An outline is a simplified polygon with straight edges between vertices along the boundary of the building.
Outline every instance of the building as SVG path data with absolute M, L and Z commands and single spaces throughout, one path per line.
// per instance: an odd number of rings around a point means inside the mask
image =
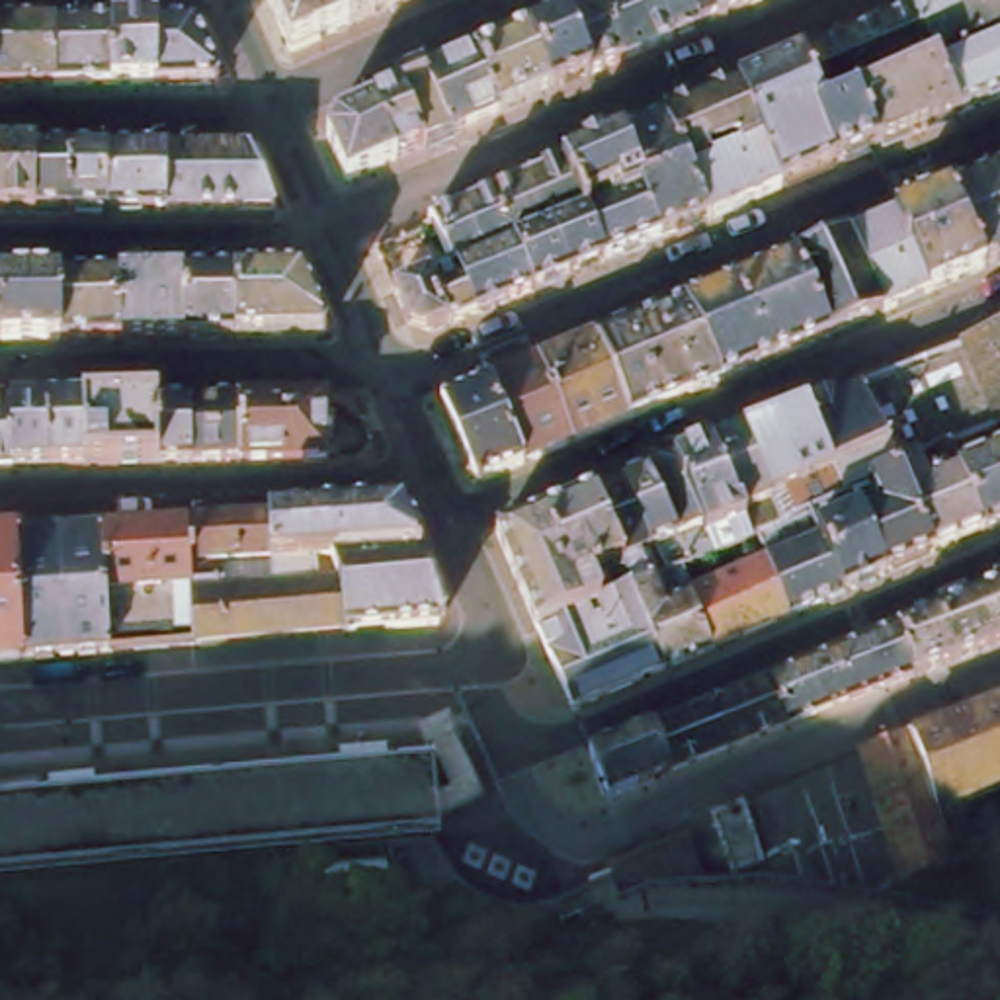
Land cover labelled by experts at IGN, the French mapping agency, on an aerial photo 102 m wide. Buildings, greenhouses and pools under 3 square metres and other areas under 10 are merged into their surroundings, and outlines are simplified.
M 230 508 L 211 527 L 191 527 L 188 512 L 156 508 L 148 496 L 121 496 L 113 512 L 102 516 L 55 516 L 51 543 L 39 559 L 43 574 L 20 574 L 20 516 L 0 516 L 0 656 L 47 660 L 199 648 L 277 633 L 434 629 L 438 609 L 445 605 L 445 582 L 438 574 L 438 563 L 430 559 L 434 551 L 422 535 L 422 523 L 398 512 L 398 504 L 406 500 L 402 484 L 387 484 L 379 496 L 367 484 L 352 484 L 348 496 L 332 484 L 316 488 L 313 496 L 273 492 L 266 508 Z
M 371 242 L 383 250 L 387 270 L 402 277 L 402 285 L 414 293 L 422 309 L 469 305 L 480 293 L 508 285 L 512 277 L 574 258 L 582 246 L 605 246 L 613 234 L 660 223 L 668 207 L 727 195 L 742 184 L 777 172 L 785 160 L 797 160 L 805 152 L 816 152 L 820 145 L 840 141 L 840 133 L 855 129 L 859 121 L 883 121 L 887 113 L 898 117 L 906 109 L 918 109 L 922 102 L 938 117 L 949 117 L 953 109 L 977 98 L 1000 94 L 1000 0 L 895 0 L 895 12 L 910 23 L 875 35 L 859 47 L 848 47 L 832 55 L 824 66 L 809 63 L 816 47 L 805 35 L 789 35 L 773 47 L 746 55 L 738 70 L 711 70 L 703 90 L 676 86 L 668 105 L 656 102 L 648 109 L 637 109 L 633 117 L 586 117 L 559 145 L 523 160 L 523 188 L 516 195 L 508 191 L 508 172 L 496 172 L 488 180 L 477 180 L 465 191 L 465 199 L 449 199 L 449 215 L 441 207 L 426 207 L 426 215 L 410 230 L 375 234 Z
M 324 35 L 336 35 L 348 23 L 363 20 L 379 20 L 387 27 L 395 12 L 410 0 L 258 0 L 254 23 L 285 51 L 309 51 Z
M 344 742 L 340 750 L 324 754 L 273 754 L 145 770 L 55 770 L 43 777 L 0 781 L 0 863 L 70 867 L 223 848 L 270 848 L 316 836 L 336 840 L 430 832 L 441 828 L 445 809 L 457 809 L 469 797 L 477 797 L 480 781 L 449 711 L 434 711 L 422 719 L 422 742 L 414 746 Z
M 762 0 L 617 0 L 609 8 L 605 39 L 598 43 L 586 31 L 586 16 L 570 0 L 539 0 L 531 12 L 512 12 L 508 23 L 480 23 L 477 31 L 449 39 L 430 55 L 410 55 L 391 70 L 379 70 L 375 78 L 355 70 L 352 94 L 344 102 L 348 109 L 336 109 L 324 121 L 316 117 L 316 141 L 328 145 L 340 172 L 348 176 L 371 168 L 395 172 L 398 164 L 422 156 L 449 156 L 461 168 L 469 148 L 496 121 L 516 125 L 539 102 L 590 90 L 594 78 L 617 70 L 625 55 L 637 55 L 672 31 L 738 8 L 754 8 Z
M 809 719 L 859 719 L 895 691 L 918 680 L 945 680 L 957 664 L 969 664 L 1000 648 L 1000 590 L 969 598 L 961 605 L 934 605 L 930 617 L 883 617 L 871 633 L 848 633 L 836 645 L 820 645 L 809 656 L 785 660 L 777 684 L 777 695 Z
M 520 398 L 508 398 L 492 363 L 457 371 L 438 387 L 438 402 L 457 434 L 469 477 L 531 473 L 551 449 L 578 434 L 602 430 L 656 402 L 715 391 L 730 371 L 781 355 L 852 320 L 898 320 L 914 301 L 941 293 L 965 277 L 1000 270 L 1000 152 L 977 156 L 961 172 L 922 172 L 867 215 L 836 215 L 832 223 L 809 227 L 813 234 L 805 238 L 805 246 L 770 246 L 742 262 L 719 266 L 715 273 L 672 285 L 664 297 L 641 301 L 633 316 L 613 316 L 602 324 L 582 324 L 539 340 L 535 367 L 543 371 L 543 383 L 523 391 Z
M 859 746 L 855 734 L 844 730 L 832 754 L 816 754 L 793 770 L 754 777 L 746 797 L 711 809 L 711 828 L 699 824 L 691 832 L 691 855 L 699 871 L 719 875 L 730 863 L 746 867 L 758 859 L 781 859 L 801 848 L 801 832 L 809 828 L 816 828 L 820 848 L 848 848 L 887 836 L 891 852 L 910 867 L 926 867 L 930 848 L 941 844 L 945 832 L 969 836 L 977 820 L 1000 844 L 1000 684 L 965 703 L 930 711 L 906 727 L 879 730 L 867 746 Z
M 324 301 L 313 281 L 313 266 L 297 250 L 191 250 L 184 258 L 172 250 L 125 250 L 98 254 L 90 262 L 63 262 L 47 246 L 16 246 L 0 254 L 0 340 L 121 332 L 129 320 L 180 316 L 203 316 L 227 332 L 320 332 Z
M 211 82 L 215 43 L 207 16 L 195 16 L 195 8 L 188 4 L 172 4 L 160 12 L 160 0 L 0 0 L 0 74 L 51 82 Z
M 738 711 L 723 723 L 680 730 L 672 738 L 652 715 L 637 715 L 609 734 L 598 734 L 594 746 L 605 758 L 609 781 L 625 781 L 633 773 L 645 773 L 648 766 L 684 762 L 688 754 L 758 730 L 762 723 L 754 711 Z
M 301 406 L 258 406 L 246 395 L 238 395 L 234 410 L 176 410 L 160 398 L 156 371 L 86 371 L 78 398 L 70 406 L 0 410 L 0 465 L 16 469 L 301 461 L 305 441 L 328 426 L 328 398 L 309 398 Z
M 848 441 L 832 441 L 813 387 L 793 387 L 785 395 L 746 406 L 746 414 L 719 422 L 711 434 L 703 426 L 688 426 L 668 449 L 656 449 L 648 461 L 633 457 L 625 465 L 629 484 L 613 496 L 605 492 L 598 473 L 578 473 L 574 484 L 551 484 L 520 512 L 500 512 L 488 531 L 488 543 L 500 551 L 508 578 L 520 594 L 531 637 L 563 688 L 563 703 L 578 715 L 590 703 L 617 695 L 645 676 L 672 672 L 684 648 L 723 641 L 734 629 L 754 629 L 785 613 L 840 605 L 855 594 L 879 590 L 883 582 L 934 566 L 938 555 L 957 539 L 969 539 L 1000 523 L 1000 313 L 957 332 L 945 344 L 922 348 L 914 355 L 855 375 L 848 387 L 848 426 L 855 430 L 855 438 Z
M 102 137 L 82 129 L 66 137 L 63 129 L 39 133 L 35 125 L 0 129 L 0 199 L 90 199 L 121 203 L 129 211 L 184 203 L 223 207 L 273 203 L 277 184 L 254 133 L 141 129 Z

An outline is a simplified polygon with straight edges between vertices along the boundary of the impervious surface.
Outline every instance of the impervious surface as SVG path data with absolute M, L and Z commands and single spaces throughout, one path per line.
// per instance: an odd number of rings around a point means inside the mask
M 570 0 L 586 16 L 586 31 L 598 43 L 605 39 L 609 8 L 617 0 Z
M 883 582 L 879 590 L 855 594 L 840 605 L 785 613 L 754 629 L 734 629 L 723 641 L 684 648 L 672 672 L 645 676 L 617 695 L 590 703 L 578 715 L 563 703 L 563 688 L 531 637 L 520 594 L 508 578 L 500 551 L 488 543 L 488 531 L 500 512 L 520 512 L 551 484 L 574 484 L 578 473 L 598 473 L 605 492 L 613 496 L 629 484 L 625 465 L 633 457 L 648 461 L 656 449 L 668 449 L 688 426 L 703 426 L 711 434 L 719 422 L 746 414 L 746 406 L 785 395 L 793 387 L 813 387 L 832 441 L 848 441 L 855 438 L 855 430 L 848 426 L 848 387 L 855 375 L 914 355 L 922 348 L 945 344 L 957 332 L 1000 313 L 1000 270 L 965 277 L 941 293 L 914 301 L 898 320 L 852 320 L 781 355 L 730 371 L 715 391 L 656 402 L 602 430 L 578 434 L 551 449 L 531 473 L 469 477 L 457 434 L 438 402 L 438 387 L 457 371 L 492 363 L 508 398 L 520 398 L 523 391 L 543 383 L 543 371 L 535 367 L 539 340 L 582 324 L 602 324 L 613 316 L 633 316 L 641 301 L 664 297 L 672 285 L 715 273 L 719 266 L 742 262 L 770 246 L 805 246 L 805 238 L 813 234 L 809 227 L 832 223 L 836 215 L 867 215 L 922 172 L 961 172 L 977 156 L 1000 152 L 1000 94 L 977 98 L 953 109 L 949 117 L 938 117 L 922 102 L 918 109 L 906 109 L 898 117 L 887 113 L 883 121 L 859 121 L 855 129 L 840 133 L 840 141 L 820 145 L 816 152 L 805 152 L 797 160 L 785 160 L 777 172 L 742 184 L 727 195 L 668 207 L 660 223 L 613 234 L 605 246 L 582 246 L 574 258 L 512 277 L 508 285 L 480 293 L 469 305 L 422 309 L 414 293 L 402 285 L 402 277 L 387 270 L 383 250 L 371 242 L 375 234 L 410 230 L 426 215 L 426 207 L 441 207 L 449 215 L 449 199 L 465 199 L 465 191 L 477 180 L 488 180 L 496 172 L 508 172 L 508 191 L 516 195 L 523 188 L 523 160 L 559 145 L 586 117 L 633 117 L 637 109 L 648 109 L 656 102 L 668 105 L 676 86 L 703 90 L 711 70 L 738 70 L 746 55 L 773 47 L 789 35 L 805 35 L 816 47 L 809 63 L 824 66 L 832 55 L 848 47 L 859 47 L 875 35 L 910 23 L 895 12 L 895 0 L 762 0 L 754 8 L 738 8 L 672 31 L 637 55 L 625 55 L 617 70 L 594 78 L 590 90 L 539 102 L 516 125 L 496 121 L 469 148 L 461 168 L 449 156 L 422 156 L 398 164 L 395 172 L 371 168 L 348 176 L 340 172 L 328 145 L 316 141 L 316 117 L 324 121 L 336 109 L 348 109 L 344 102 L 352 94 L 355 70 L 375 78 L 379 70 L 391 70 L 410 55 L 430 55 L 449 39 L 477 31 L 480 23 L 508 23 L 512 12 L 531 12 L 539 0 L 410 0 L 395 12 L 387 27 L 379 20 L 363 20 L 348 23 L 336 35 L 324 35 L 309 51 L 285 51 L 254 23 L 258 0 L 160 0 L 160 12 L 172 4 L 188 4 L 195 8 L 195 16 L 207 16 L 215 43 L 211 82 L 51 82 L 0 74 L 0 129 L 35 125 L 39 133 L 63 129 L 66 137 L 82 129 L 102 137 L 141 129 L 254 133 L 277 184 L 273 203 L 223 207 L 184 203 L 129 211 L 121 203 L 90 199 L 0 199 L 0 254 L 16 246 L 47 246 L 63 262 L 90 262 L 98 254 L 125 250 L 172 250 L 184 258 L 191 250 L 297 250 L 313 266 L 313 281 L 324 301 L 320 332 L 227 332 L 203 316 L 180 316 L 129 320 L 121 332 L 0 340 L 0 410 L 70 406 L 78 398 L 86 371 L 156 371 L 160 398 L 176 410 L 234 410 L 238 395 L 246 395 L 258 406 L 301 406 L 309 398 L 328 398 L 328 426 L 305 441 L 301 461 L 16 469 L 0 465 L 0 516 L 20 516 L 20 574 L 43 574 L 39 559 L 51 543 L 55 516 L 102 516 L 113 512 L 121 496 L 148 496 L 156 508 L 188 512 L 191 527 L 211 527 L 230 508 L 266 508 L 273 492 L 313 496 L 316 488 L 332 484 L 348 496 L 352 484 L 367 484 L 379 496 L 387 484 L 402 484 L 406 500 L 398 504 L 398 512 L 422 523 L 422 535 L 434 551 L 430 559 L 438 563 L 438 574 L 445 582 L 445 605 L 438 609 L 434 629 L 277 633 L 199 648 L 47 660 L 0 656 L 0 781 L 43 777 L 55 770 L 145 770 L 273 754 L 324 754 L 340 750 L 344 742 L 414 746 L 422 742 L 422 719 L 434 711 L 449 711 L 480 781 L 477 797 L 469 797 L 457 809 L 445 809 L 441 828 L 430 832 L 336 840 L 336 863 L 328 863 L 328 875 L 344 875 L 348 887 L 363 887 L 371 871 L 387 871 L 387 863 L 395 863 L 418 891 L 430 891 L 438 883 L 469 883 L 500 902 L 543 902 L 555 918 L 578 918 L 598 902 L 617 918 L 742 918 L 750 910 L 766 910 L 762 887 L 672 887 L 672 879 L 688 879 L 699 871 L 691 855 L 691 832 L 699 824 L 711 828 L 711 809 L 746 797 L 754 777 L 793 770 L 816 754 L 832 754 L 844 730 L 855 734 L 859 746 L 867 746 L 879 730 L 906 727 L 930 711 L 965 703 L 1000 684 L 1000 648 L 969 664 L 957 664 L 945 680 L 918 680 L 895 691 L 859 719 L 809 719 L 777 695 L 777 684 L 785 660 L 809 656 L 820 645 L 836 645 L 848 633 L 871 633 L 883 617 L 930 617 L 934 605 L 961 605 L 969 598 L 1000 590 L 1000 523 L 969 539 L 957 539 L 938 555 L 934 566 Z M 762 723 L 758 730 L 688 754 L 684 762 L 648 766 L 645 773 L 633 773 L 625 781 L 609 781 L 605 758 L 594 746 L 598 734 L 609 734 L 637 715 L 652 715 L 672 738 L 680 730 L 723 723 L 738 711 L 754 711 Z

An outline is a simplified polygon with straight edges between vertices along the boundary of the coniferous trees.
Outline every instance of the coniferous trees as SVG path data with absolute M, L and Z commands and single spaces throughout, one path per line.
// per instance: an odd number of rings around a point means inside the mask
M 836 902 L 828 910 L 797 910 L 793 918 L 766 910 L 750 910 L 742 918 L 617 918 L 598 902 L 578 918 L 555 918 L 543 902 L 500 902 L 469 883 L 438 883 L 430 891 L 418 891 L 395 863 L 387 863 L 387 871 L 371 871 L 363 887 L 348 887 L 344 875 L 328 875 L 328 863 L 336 863 L 336 840 L 316 836 L 270 848 L 223 848 L 70 867 L 0 863 L 0 1000 L 1000 1000 L 1000 922 L 969 926 L 961 902 L 945 902 L 941 910 L 926 914 L 902 914 L 887 902 L 859 898 Z

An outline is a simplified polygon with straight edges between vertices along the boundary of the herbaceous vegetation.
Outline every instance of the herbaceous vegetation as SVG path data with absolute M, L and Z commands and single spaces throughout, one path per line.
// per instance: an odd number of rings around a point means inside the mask
M 926 867 L 910 867 L 891 852 L 887 836 L 848 848 L 820 848 L 816 828 L 809 828 L 801 832 L 801 848 L 781 859 L 758 859 L 746 867 L 730 863 L 719 875 L 699 871 L 688 879 L 672 879 L 672 887 L 762 887 L 766 910 L 793 918 L 797 910 L 828 910 L 836 902 L 859 898 L 887 902 L 902 914 L 926 914 L 941 910 L 945 902 L 961 902 L 969 926 L 1000 922 L 1000 844 L 977 820 L 969 836 L 945 832 L 941 844 L 930 848 Z

